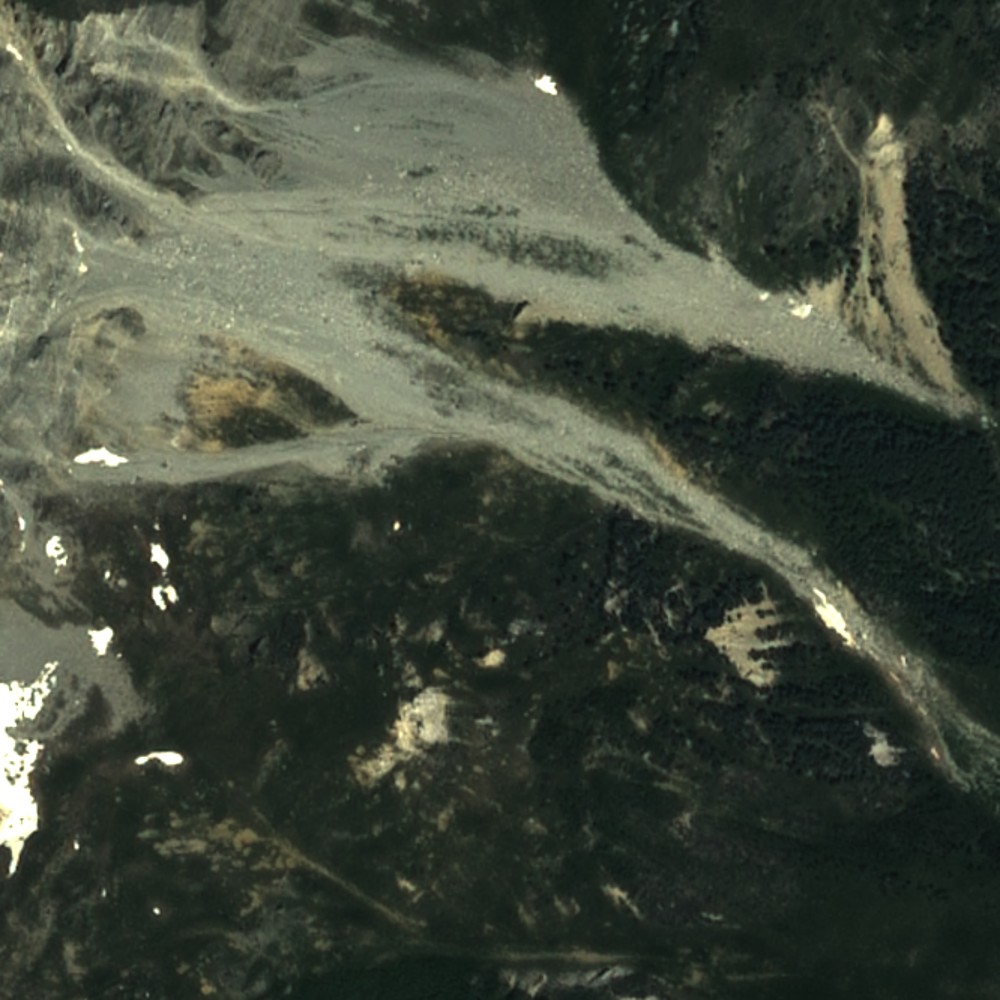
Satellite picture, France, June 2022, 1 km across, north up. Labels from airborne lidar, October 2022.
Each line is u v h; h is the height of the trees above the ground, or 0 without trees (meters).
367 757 0
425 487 0
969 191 0
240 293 0
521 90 0
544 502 0
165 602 0
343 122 0
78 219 0
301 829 0
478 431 0
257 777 0
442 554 0
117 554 0
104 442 0
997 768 0
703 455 13
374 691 0
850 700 16
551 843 0
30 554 0
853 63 0
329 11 0
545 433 0
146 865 0
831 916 0
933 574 11
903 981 0
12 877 0
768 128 6
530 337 0
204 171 0
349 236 0
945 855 9
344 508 0
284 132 0
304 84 0
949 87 0
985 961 0
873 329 0
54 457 0
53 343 0
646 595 8
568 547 0
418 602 0
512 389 0
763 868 9
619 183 0
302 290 0
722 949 0
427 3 0
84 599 0
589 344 0
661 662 0
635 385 10
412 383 0
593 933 0
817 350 0
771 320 0
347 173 0
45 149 0
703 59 0
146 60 0
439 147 0
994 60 7
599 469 0
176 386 0
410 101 0
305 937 0
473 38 0
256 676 0
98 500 0
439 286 0
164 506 0
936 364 0
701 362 6
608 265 0
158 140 0
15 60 0
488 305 0
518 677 0
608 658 0
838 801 0
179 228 0
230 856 0
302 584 0
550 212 0
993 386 11
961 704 0
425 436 0
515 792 0
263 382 0
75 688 0
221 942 0
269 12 0
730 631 0
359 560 0
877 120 12
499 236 0
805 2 0
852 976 0
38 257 0
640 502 0
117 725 0
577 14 0
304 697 0
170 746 0
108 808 0
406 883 0
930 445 19
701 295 0
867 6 0
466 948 0
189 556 0
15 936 0
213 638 0
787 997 0
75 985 0
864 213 0
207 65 0
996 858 11
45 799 0
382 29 0
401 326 0
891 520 8
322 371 0
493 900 0
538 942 0
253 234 0
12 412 0
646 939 0
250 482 0
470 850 0
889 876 11
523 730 0
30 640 0
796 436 9
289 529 0
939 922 0
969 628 17
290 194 0
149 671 0
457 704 0
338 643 0
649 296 0
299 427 0
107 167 0
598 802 8
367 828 0
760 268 0
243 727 0
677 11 0
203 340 0
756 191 0
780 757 7
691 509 0
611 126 0
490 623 0
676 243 0
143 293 0
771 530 0
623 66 0
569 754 7
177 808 0
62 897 0
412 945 0
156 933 0
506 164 0
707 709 7
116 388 0
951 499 21
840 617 0
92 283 0
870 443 25
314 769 0
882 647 0
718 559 0
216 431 0
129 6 0
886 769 10
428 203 0
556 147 0
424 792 0
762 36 0
